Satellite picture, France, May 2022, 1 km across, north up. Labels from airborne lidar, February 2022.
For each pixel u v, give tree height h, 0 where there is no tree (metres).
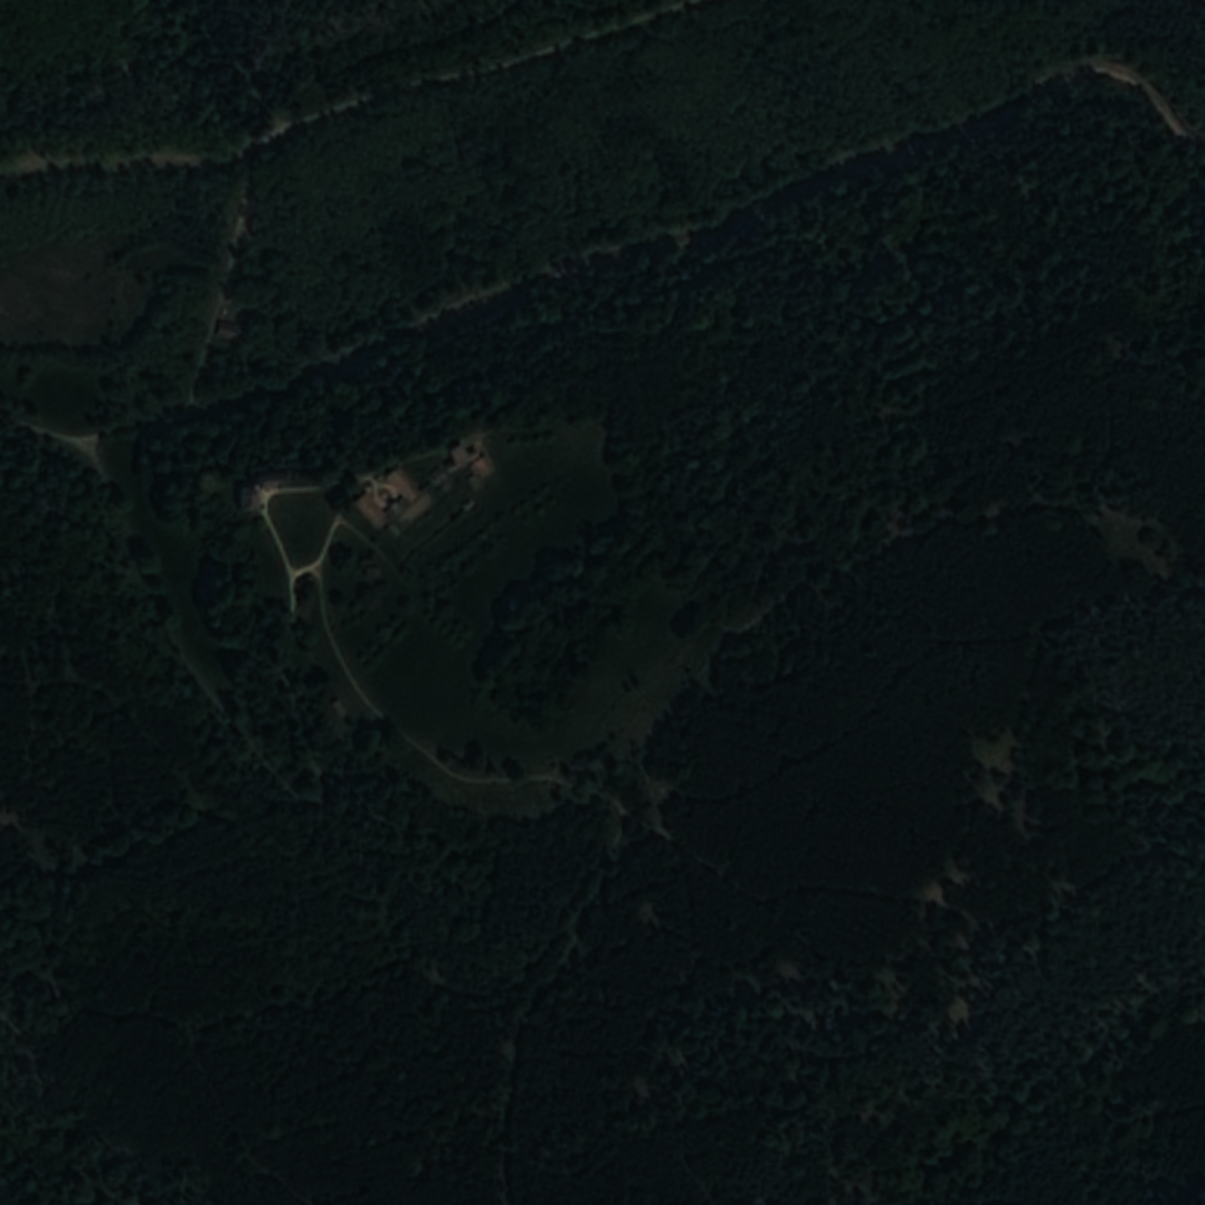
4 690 15
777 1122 22
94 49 25
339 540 0
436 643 0
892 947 15
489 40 13
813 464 11
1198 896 28
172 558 0
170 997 14
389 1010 21
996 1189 21
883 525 10
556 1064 17
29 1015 26
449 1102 12
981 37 20
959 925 15
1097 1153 21
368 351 0
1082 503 17
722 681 13
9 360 18
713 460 25
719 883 14
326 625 0
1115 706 21
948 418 14
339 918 18
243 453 24
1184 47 26
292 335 22
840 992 30
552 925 19
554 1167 22
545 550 0
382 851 18
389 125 26
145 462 13
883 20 20
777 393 21
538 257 23
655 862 16
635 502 19
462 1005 15
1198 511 19
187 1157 13
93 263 0
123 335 0
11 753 14
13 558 12
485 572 0
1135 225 22
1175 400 19
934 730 14
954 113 21
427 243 23
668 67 17
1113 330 16
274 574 0
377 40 12
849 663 16
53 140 22
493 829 12
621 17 23
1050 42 24
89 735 13
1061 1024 32
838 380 10
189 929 12
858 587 16
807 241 33
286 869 22
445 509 0
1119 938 32
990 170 26
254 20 25
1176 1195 13
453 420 10
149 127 23
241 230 0
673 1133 16
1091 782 22
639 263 20
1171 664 26
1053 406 19
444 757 9
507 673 22
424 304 30
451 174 21
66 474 20
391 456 19
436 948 20
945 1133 12
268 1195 13
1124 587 19
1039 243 15
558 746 0
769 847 15
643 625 0
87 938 15
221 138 24
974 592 16
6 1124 28
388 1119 16
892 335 30
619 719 0
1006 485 17
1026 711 19
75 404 0
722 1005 27
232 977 13
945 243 28
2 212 21
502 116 21
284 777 10
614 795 11
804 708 15
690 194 21
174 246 22
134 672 13
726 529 27
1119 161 18
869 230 16
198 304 21
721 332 23
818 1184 15
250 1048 17
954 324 29
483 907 8
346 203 20
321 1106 15
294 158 21
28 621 11
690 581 21
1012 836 17
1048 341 16
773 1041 29
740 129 20
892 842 15
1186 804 18
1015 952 29
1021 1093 27
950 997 13
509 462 0
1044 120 28
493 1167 13
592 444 0
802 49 19
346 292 22
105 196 20
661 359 20
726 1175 19
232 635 26
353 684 0
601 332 20
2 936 27
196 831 24
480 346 24
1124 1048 21
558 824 16
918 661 16
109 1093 15
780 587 11
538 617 25
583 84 17
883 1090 21
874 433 24
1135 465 22
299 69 27
